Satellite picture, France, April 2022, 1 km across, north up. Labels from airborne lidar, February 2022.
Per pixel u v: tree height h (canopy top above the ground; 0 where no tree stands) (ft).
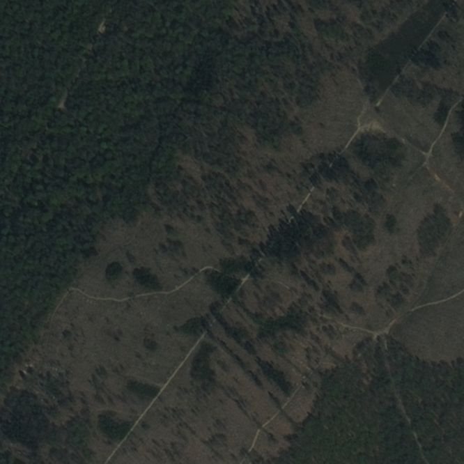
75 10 85
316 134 0
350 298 0
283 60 80
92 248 73
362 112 0
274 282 0
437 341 0
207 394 81
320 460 65
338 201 71
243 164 76
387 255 0
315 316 81
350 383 81
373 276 0
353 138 0
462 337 0
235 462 73
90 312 0
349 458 81
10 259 96
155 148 73
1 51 82
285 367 0
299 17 92
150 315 0
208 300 0
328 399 77
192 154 74
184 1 95
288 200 0
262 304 81
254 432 0
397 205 0
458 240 0
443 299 0
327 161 92
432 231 84
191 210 75
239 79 83
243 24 0
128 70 103
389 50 0
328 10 67
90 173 100
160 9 88
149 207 79
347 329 0
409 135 0
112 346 0
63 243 109
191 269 0
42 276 69
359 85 0
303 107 91
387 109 0
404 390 75
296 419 0
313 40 0
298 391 0
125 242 0
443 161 0
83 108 89
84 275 0
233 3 96
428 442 86
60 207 26
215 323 102
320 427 72
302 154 0
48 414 60
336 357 82
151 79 108
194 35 117
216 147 76
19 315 86
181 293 0
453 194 0
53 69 70
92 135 92
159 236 0
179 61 97
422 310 0
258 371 0
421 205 0
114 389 0
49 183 112
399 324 0
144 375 0
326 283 73
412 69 0
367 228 81
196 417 77
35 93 81
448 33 0
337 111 0
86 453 67
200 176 0
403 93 77
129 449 0
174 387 0
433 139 0
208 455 0
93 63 93
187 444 62
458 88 0
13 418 75
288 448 0
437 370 80
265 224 0
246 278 0
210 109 86
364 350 97
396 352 53
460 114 35
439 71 97
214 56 94
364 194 81
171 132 82
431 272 0
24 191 47
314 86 76
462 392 87
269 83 69
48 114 83
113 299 0
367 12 73
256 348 78
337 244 73
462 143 26
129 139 82
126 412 0
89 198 99
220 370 0
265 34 70
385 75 0
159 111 78
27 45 72
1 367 83
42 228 86
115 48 90
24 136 77
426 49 0
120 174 88
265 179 0
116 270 28
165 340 0
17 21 71
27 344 88
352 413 69
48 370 0
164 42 103
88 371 0
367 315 73
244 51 88
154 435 0
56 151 104
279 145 88
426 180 0
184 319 0
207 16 81
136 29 84
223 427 75
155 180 80
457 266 0
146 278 31
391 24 81
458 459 91
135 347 0
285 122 77
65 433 78
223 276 41
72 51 65
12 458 74
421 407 80
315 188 95
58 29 74
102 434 0
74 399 63
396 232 0
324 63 75
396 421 68
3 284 89
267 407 0
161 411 0
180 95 83
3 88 75
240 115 69
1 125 69
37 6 95
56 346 0
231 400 77
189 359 0
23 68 77
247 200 0
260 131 80
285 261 89
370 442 67
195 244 0
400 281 74
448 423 90
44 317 71
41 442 60
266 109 90
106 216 103
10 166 93
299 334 78
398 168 0
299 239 101
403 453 81
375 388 70
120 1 26
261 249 0
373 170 70
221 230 77
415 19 0
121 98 108
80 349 0
